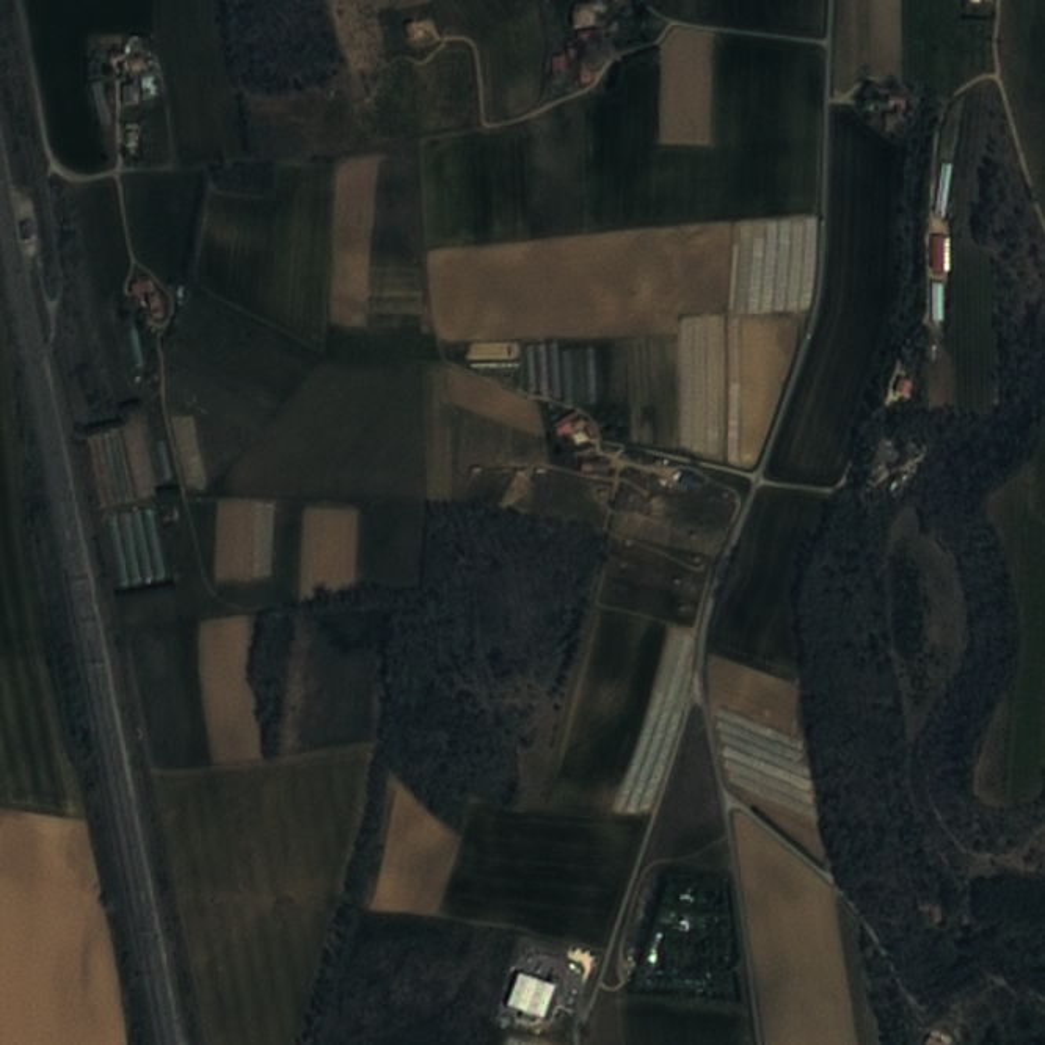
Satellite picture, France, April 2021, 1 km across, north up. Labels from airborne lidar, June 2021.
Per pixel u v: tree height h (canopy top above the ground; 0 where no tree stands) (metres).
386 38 0
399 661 13
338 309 0
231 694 0
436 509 7
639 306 0
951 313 7
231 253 0
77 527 0
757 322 0
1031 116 0
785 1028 0
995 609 14
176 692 0
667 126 0
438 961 6
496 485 0
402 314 0
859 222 0
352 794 0
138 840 0
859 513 8
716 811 0
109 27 0
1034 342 13
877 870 16
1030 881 11
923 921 17
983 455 7
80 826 0
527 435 0
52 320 0
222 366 0
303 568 0
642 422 0
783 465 0
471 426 0
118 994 0
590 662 0
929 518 8
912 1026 16
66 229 10
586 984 0
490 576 13
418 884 0
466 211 0
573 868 0
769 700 0
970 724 13
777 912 0
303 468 0
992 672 13
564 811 0
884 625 13
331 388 0
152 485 0
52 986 0
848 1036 0
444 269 0
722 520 0
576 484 0
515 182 0
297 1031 0
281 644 13
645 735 0
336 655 0
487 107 0
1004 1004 19
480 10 0
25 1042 0
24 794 0
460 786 7
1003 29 0
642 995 9
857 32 0
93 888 0
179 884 0
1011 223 6
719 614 0
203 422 0
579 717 0
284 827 0
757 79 0
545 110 0
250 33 16
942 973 17
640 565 0
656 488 0
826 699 13
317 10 15
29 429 0
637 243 0
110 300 0
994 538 14
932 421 13
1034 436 7
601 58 23
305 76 12
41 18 0
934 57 7
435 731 13
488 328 0
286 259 0
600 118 0
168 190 0
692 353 0
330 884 0
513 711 6
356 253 0
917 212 17
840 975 0
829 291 0
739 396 0
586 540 8
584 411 0
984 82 0
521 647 11
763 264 0
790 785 0
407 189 0
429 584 15
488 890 0
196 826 0
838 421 0
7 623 0
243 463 0
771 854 0
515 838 0
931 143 7
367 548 0
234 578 0
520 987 0
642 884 0
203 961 0
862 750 15
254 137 15
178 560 0
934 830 11
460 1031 7
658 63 0
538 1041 0
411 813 0
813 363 0
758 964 0
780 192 0
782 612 0
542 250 0
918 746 10
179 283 6
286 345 0
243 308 0
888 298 0
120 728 0
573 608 10
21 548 0
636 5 11
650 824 0
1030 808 9
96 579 0
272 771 0
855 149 0
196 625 0
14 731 0
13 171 0
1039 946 6
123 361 0
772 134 0
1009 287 14
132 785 0
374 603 16
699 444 0
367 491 0
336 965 21
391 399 0
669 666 0
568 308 0
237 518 0
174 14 0
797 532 0
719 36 0
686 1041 0
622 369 0
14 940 0
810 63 0
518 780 12
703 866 0
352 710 0
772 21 0
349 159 0
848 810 20
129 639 0
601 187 0
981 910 18
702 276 0
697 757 0
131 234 0
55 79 0
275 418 0
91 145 0
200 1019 0
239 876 0
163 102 0
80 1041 0
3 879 0
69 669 0
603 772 0
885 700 14
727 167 0
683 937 6
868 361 0
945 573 0
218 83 0
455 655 13
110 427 10
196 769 0
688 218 0
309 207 0
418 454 0
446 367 0
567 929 0
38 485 0
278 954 0
